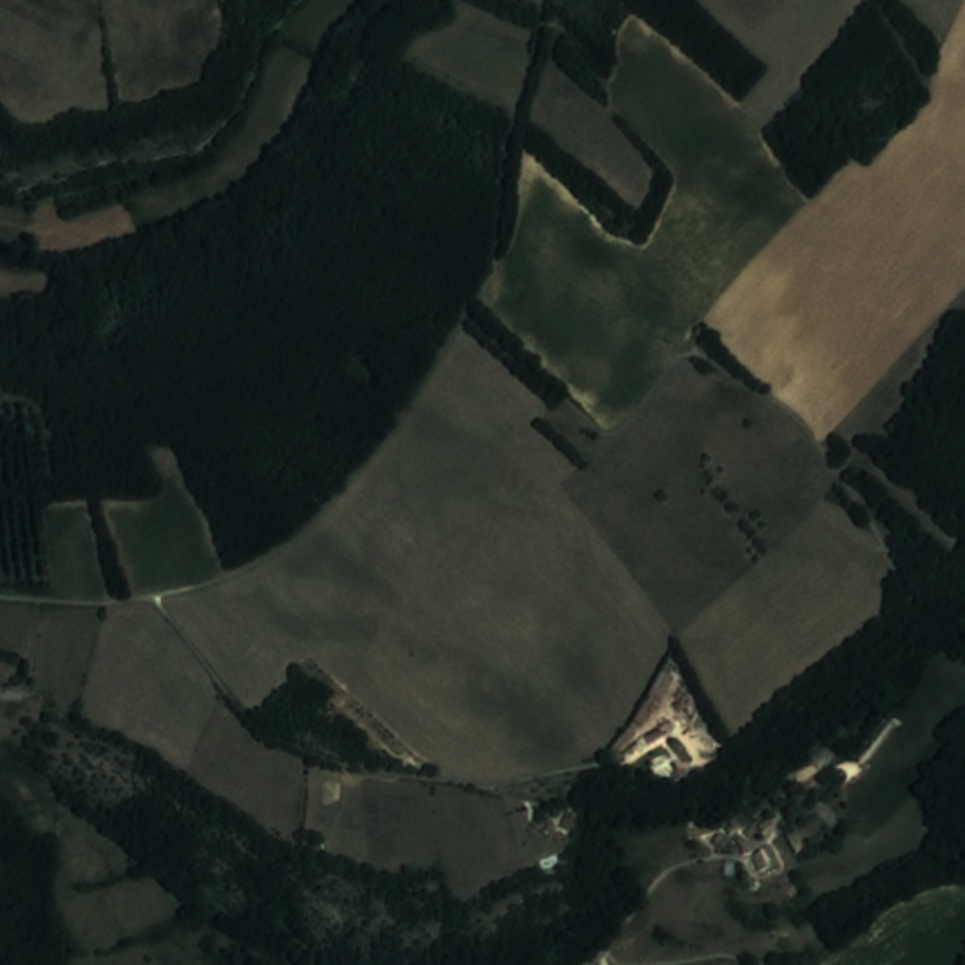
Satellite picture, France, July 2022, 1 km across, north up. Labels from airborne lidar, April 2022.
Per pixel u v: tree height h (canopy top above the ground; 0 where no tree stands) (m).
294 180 21
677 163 0
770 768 19
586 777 10
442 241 15
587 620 0
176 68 0
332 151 16
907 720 0
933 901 0
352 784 0
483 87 0
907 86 12
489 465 0
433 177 12
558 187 0
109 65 10
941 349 15
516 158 10
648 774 7
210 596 0
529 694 0
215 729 0
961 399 17
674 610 0
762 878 0
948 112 0
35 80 0
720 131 0
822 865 0
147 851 18
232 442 13
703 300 0
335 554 0
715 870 0
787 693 13
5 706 0
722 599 0
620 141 0
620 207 12
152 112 15
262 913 17
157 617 0
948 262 0
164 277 8
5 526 16
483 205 14
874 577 0
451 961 16
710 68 12
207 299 11
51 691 0
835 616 0
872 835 0
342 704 0
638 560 0
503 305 0
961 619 19
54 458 9
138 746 7
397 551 0
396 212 17
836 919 24
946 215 0
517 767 0
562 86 0
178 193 0
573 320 0
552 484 0
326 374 16
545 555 0
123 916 0
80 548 0
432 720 0
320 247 14
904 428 14
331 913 0
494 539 0
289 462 11
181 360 16
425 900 10
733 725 0
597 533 0
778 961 16
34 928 25
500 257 11
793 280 0
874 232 0
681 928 0
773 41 0
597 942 23
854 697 16
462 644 0
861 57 11
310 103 17
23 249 13
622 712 0
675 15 15
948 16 0
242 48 16
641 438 0
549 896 9
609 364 0
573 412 0
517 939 9
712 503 0
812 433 0
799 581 0
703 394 0
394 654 0
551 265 0
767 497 0
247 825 14
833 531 0
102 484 14
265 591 0
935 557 10
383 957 10
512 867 0
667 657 7
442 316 11
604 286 0
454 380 0
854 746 17
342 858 8
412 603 0
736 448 0
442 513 0
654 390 0
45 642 0
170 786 8
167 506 0
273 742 11
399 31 10
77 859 0
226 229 19
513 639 0
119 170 13
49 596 0
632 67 0
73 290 22
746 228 0
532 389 11
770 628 0
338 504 0
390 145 13
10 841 16
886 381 0
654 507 0
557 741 0
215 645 0
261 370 15
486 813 0
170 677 0
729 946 0
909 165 0
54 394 14
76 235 0
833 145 14
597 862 18
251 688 0
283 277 19
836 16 0
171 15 0
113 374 21
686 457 0
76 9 0
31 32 0
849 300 0
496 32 0
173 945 0
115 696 0
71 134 17
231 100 9
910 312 0
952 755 21
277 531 17
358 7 13
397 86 13
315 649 0
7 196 15
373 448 15
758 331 0
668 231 0
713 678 0
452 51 0
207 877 12
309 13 0
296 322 17
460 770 0
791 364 0
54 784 9
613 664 0
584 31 6
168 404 14
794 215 0
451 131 9
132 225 0
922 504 11
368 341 17
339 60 21
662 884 0
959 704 0
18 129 12
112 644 0
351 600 0
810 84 11
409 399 18
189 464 14
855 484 11
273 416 14
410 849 0
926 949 0
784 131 13
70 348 12
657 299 0
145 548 0
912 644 16
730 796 21
